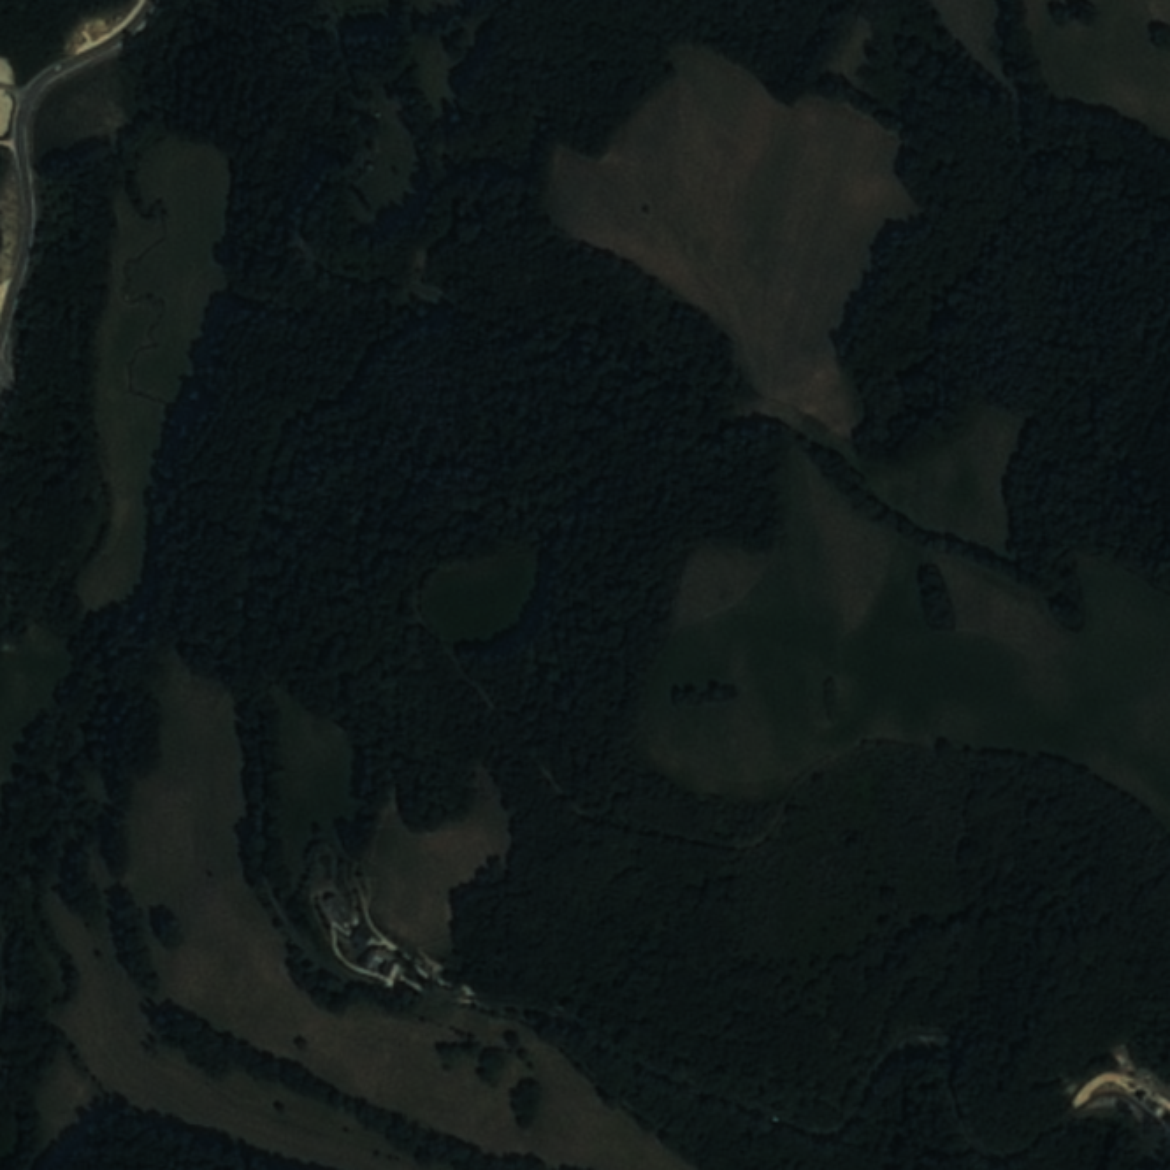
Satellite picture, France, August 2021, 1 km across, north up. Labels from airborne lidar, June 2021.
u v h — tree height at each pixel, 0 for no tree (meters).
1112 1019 17
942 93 25
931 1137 21
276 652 23
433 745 20
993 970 14
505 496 17
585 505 16
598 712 19
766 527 20
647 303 20
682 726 0
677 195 0
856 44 0
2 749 0
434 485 26
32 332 23
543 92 23
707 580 0
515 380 24
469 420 22
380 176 0
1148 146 26
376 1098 0
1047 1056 16
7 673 0
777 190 0
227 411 31
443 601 0
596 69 17
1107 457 14
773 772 0
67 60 0
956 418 17
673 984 11
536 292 23
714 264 0
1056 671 0
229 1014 0
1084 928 16
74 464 11
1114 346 29
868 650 0
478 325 25
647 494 14
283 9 27
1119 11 0
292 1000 0
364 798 18
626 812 8
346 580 21
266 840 18
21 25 20
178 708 0
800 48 26
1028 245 25
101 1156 25
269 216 10
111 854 24
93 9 17
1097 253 21
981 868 11
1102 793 15
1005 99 23
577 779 12
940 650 0
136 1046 0
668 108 0
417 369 23
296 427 14
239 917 0
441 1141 18
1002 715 0
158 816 0
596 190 0
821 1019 8
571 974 25
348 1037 0
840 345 18
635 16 18
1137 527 24
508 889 11
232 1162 28
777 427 14
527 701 7
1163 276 22
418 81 7
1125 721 0
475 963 16
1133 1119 16
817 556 0
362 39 27
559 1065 0
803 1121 16
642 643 13
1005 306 17
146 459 0
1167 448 14
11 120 0
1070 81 0
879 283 15
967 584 0
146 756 26
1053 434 20
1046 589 19
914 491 0
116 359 0
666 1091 18
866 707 0
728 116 0
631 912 12
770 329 0
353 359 22
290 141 14
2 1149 0
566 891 12
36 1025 16
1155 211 27
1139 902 16
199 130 28
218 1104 0
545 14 24
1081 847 18
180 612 27
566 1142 0
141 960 21
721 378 15
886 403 24
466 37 17
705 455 19
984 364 21
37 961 28
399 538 23
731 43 21
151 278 0
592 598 19
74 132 0
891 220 0
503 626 0
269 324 30
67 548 24
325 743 0
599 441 25
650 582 13
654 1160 0
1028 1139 19
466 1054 12
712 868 11
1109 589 0
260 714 15
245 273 17
